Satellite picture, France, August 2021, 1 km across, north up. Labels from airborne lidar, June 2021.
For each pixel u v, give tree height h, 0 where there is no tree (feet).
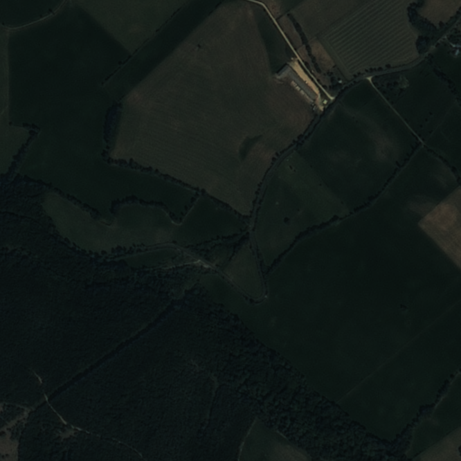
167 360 26
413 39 0
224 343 78
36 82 0
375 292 0
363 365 0
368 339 0
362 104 0
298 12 0
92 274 87
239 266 0
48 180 0
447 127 0
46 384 39
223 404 40
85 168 0
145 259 0
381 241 0
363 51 0
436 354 0
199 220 0
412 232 0
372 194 0
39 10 0
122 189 0
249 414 43
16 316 40
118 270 74
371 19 0
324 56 0
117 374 46
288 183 0
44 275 55
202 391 26
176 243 28
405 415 0
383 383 0
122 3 0
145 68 0
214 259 0
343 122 0
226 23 0
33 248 45
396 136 0
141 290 58
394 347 0
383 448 81
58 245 96
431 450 0
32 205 80
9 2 0
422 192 0
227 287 0
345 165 0
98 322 53
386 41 0
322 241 0
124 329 40
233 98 0
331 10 0
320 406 47
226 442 34
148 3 0
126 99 0
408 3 0
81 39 0
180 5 0
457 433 0
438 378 0
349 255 0
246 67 0
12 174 51
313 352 0
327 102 0
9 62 0
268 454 0
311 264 0
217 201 40
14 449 0
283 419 53
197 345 46
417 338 0
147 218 0
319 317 0
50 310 39
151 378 32
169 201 0
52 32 0
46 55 0
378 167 0
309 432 62
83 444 24
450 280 0
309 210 0
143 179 0
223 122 0
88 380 42
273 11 0
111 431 49
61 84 0
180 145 0
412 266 0
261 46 0
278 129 0
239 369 71
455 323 0
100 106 0
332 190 0
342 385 0
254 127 0
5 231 47
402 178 0
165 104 0
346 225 0
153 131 0
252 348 88
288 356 0
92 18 0
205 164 0
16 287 51
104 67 0
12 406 23
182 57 0
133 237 0
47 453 44
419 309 0
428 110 0
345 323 0
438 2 0
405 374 0
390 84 27
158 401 32
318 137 0
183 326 49
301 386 34
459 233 0
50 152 0
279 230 0
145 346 44
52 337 54
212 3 0
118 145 0
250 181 0
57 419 26
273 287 0
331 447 71
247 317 0
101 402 45
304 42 32
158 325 43
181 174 0
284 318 0
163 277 38
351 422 50
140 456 30
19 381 35
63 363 52
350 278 0
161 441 48
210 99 0
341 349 0
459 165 0
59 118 0
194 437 51
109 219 0
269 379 86
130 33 0
